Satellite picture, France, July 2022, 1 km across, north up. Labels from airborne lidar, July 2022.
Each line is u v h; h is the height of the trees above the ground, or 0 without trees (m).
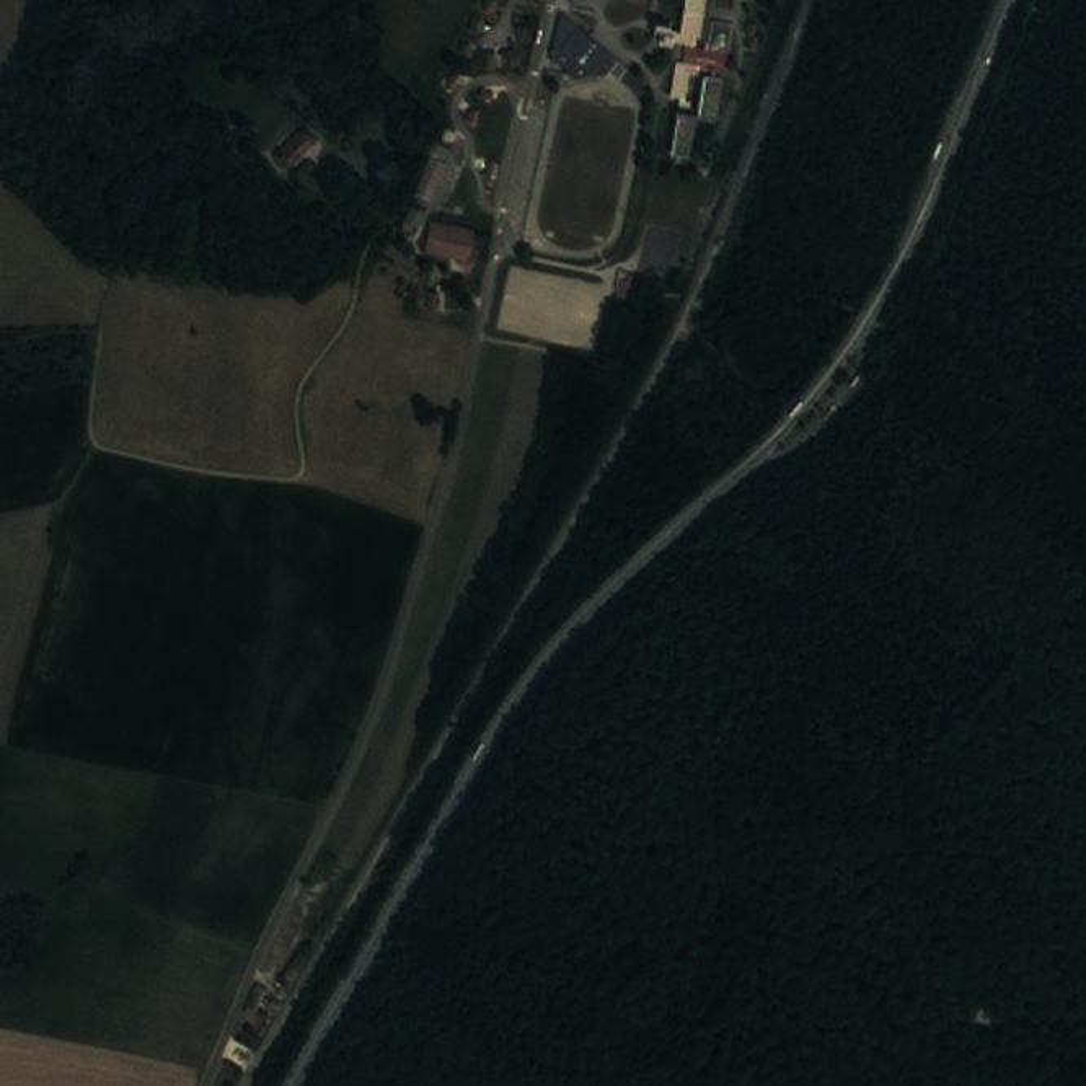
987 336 12
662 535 0
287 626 0
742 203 6
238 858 0
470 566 0
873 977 18
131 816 0
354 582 0
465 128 0
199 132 32
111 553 0
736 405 23
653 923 22
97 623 0
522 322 0
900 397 6
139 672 0
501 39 0
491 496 0
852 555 11
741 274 8
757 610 11
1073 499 8
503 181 0
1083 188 19
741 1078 21
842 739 21
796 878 22
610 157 0
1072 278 15
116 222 23
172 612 0
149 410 0
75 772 0
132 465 0
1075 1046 21
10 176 20
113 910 0
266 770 0
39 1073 0
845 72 19
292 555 0
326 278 17
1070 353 13
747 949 16
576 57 0
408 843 16
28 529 0
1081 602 21
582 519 11
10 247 0
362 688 0
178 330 0
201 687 0
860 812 17
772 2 20
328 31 25
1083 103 13
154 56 34
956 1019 16
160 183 28
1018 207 15
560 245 0
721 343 28
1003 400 8
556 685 22
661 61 12
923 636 13
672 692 19
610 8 0
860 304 12
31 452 0
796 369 18
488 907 11
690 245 0
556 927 23
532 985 24
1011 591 18
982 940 20
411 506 0
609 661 26
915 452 21
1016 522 15
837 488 9
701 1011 14
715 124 13
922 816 26
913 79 18
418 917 16
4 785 0
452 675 13
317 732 0
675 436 13
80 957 0
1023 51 13
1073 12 15
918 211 0
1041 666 20
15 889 0
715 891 15
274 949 0
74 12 29
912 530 19
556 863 20
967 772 23
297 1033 19
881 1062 21
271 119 0
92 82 28
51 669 0
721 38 0
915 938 24
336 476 0
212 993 0
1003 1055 20
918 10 16
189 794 0
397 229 7
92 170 32
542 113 0
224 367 0
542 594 14
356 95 24
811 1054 18
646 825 19
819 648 6
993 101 9
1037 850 20
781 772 20
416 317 0
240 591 0
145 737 0
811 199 25
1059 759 17
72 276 0
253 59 20
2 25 0
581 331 0
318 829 0
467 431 0
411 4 0
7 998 0
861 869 16
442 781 15
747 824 17
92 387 0
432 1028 23
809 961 23
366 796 0
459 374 0
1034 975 18
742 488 6
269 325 0
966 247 11
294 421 0
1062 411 6
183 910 0
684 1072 23
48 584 0
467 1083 26
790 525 14
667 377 16
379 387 0
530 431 0
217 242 23
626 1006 16
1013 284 20
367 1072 24
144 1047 0
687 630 7
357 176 30
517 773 21
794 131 19
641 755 18
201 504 0
